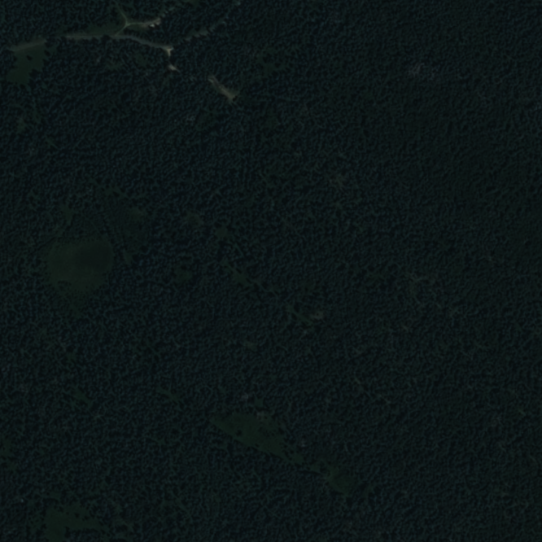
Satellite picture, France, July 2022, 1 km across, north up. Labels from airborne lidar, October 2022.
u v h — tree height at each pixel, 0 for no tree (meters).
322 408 28
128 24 0
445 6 16
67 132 27
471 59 25
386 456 22
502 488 18
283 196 13
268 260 25
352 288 21
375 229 24
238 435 13
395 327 21
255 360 23
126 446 26
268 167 16
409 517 23
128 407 24
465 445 20
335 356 23
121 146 23
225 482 12
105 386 28
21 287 26
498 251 19
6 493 22
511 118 23
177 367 23
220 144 29
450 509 18
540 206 21
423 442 20
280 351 26
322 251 21
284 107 24
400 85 21
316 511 21
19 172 24
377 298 22
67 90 28
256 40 17
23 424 27
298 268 24
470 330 24
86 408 24
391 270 29
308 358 20
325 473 16
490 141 17
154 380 23
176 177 23
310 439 22
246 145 18
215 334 23
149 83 24
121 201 7
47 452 11
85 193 23
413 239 30
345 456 21
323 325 24
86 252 0
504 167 17
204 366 27
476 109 16
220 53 21
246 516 23
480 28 15
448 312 26
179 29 11
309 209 26
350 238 24
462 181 21
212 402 25
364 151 25
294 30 7
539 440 20
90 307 10
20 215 12
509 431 26
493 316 17
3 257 23
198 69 21
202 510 14
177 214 30
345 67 18
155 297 6
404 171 25
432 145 22
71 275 0
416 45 20
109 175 19
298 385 25
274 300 27
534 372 17
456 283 26
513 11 25
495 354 23
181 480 23
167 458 25
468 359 24
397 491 25
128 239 8
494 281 25
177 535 24
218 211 29
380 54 17
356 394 28
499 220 22
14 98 20
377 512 25
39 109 14
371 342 25
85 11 15
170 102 22
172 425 14
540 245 21
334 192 27
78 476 23
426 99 25
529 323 26
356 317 21
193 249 30
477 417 21
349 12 14
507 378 22
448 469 21
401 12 18
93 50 27
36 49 0
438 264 19
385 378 23
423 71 26
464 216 21
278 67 22
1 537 23
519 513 25
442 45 21
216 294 20
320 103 22
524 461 21
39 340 15
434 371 25
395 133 15
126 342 14
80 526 0
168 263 27
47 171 23
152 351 28
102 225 10
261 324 29
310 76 23
